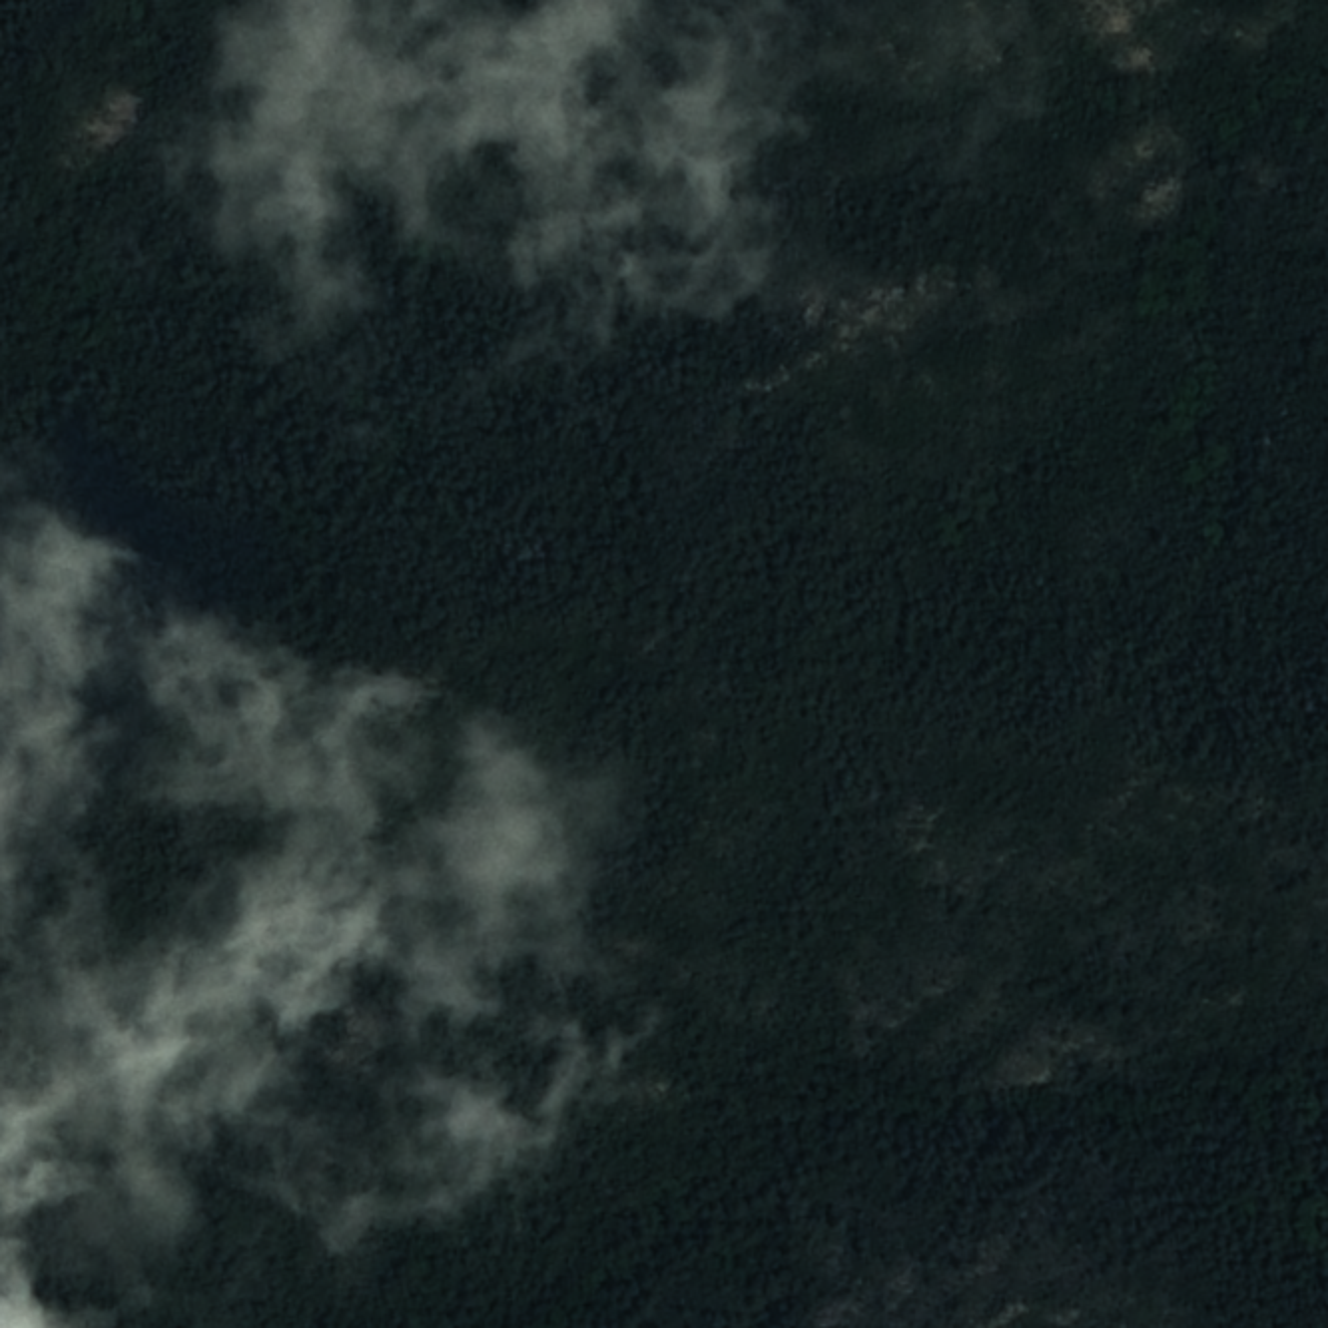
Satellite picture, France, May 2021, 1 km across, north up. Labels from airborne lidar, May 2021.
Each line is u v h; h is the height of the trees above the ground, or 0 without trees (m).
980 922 6
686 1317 17
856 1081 21
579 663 7
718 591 12
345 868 17
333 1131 6
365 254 6
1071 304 9
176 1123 12
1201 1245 6
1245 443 15
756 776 8
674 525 8
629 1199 23
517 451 11
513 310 14
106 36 8
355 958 20
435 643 8
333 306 14
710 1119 19
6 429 16
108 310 16
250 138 9
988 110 13
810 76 7
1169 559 14
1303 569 13
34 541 7
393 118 7
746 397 8
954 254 10
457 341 20
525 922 8
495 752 9
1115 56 10
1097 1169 6
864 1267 6
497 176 7
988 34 9
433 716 10
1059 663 8
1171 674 7
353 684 7
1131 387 8
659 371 20
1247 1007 10
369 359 8
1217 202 9
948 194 18
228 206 9
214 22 7
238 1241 9
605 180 22
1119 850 6
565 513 13
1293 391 17
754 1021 13
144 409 8
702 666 6
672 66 8
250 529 22
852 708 15
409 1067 6
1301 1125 30
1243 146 12
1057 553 14
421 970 8
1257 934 16
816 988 9
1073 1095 14
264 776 19
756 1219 8
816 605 15
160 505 21
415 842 10
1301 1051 14
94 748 6
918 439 9
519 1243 16
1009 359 7
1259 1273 24
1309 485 6
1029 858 8
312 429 21
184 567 8
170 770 10
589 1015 10
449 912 11
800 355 7
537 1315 20
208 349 13
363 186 12
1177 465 11
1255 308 6
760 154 6
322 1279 8
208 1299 11
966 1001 6
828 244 9
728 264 10
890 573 8
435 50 8
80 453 8
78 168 9
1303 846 14
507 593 19
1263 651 14
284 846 11
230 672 7
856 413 7
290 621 18
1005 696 18
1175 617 18
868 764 21
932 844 10
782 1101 21
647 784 6
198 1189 6
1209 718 10
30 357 10
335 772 8
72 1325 7
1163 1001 8
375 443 28
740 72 7
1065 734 15
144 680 18
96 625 12
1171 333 7
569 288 8
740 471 13
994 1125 18
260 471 30
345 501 23
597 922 10
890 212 12
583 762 16
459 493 11
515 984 16
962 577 21
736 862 7
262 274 9
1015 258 13
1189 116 10
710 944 8
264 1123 6
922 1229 6
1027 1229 11
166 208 15
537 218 8
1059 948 9
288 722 7
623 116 6
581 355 24
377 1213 9
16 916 20
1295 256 14
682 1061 18
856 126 8
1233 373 6
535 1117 17
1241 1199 23
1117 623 13
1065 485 13
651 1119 8
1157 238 27
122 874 15
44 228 22
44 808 6
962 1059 11
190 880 15
